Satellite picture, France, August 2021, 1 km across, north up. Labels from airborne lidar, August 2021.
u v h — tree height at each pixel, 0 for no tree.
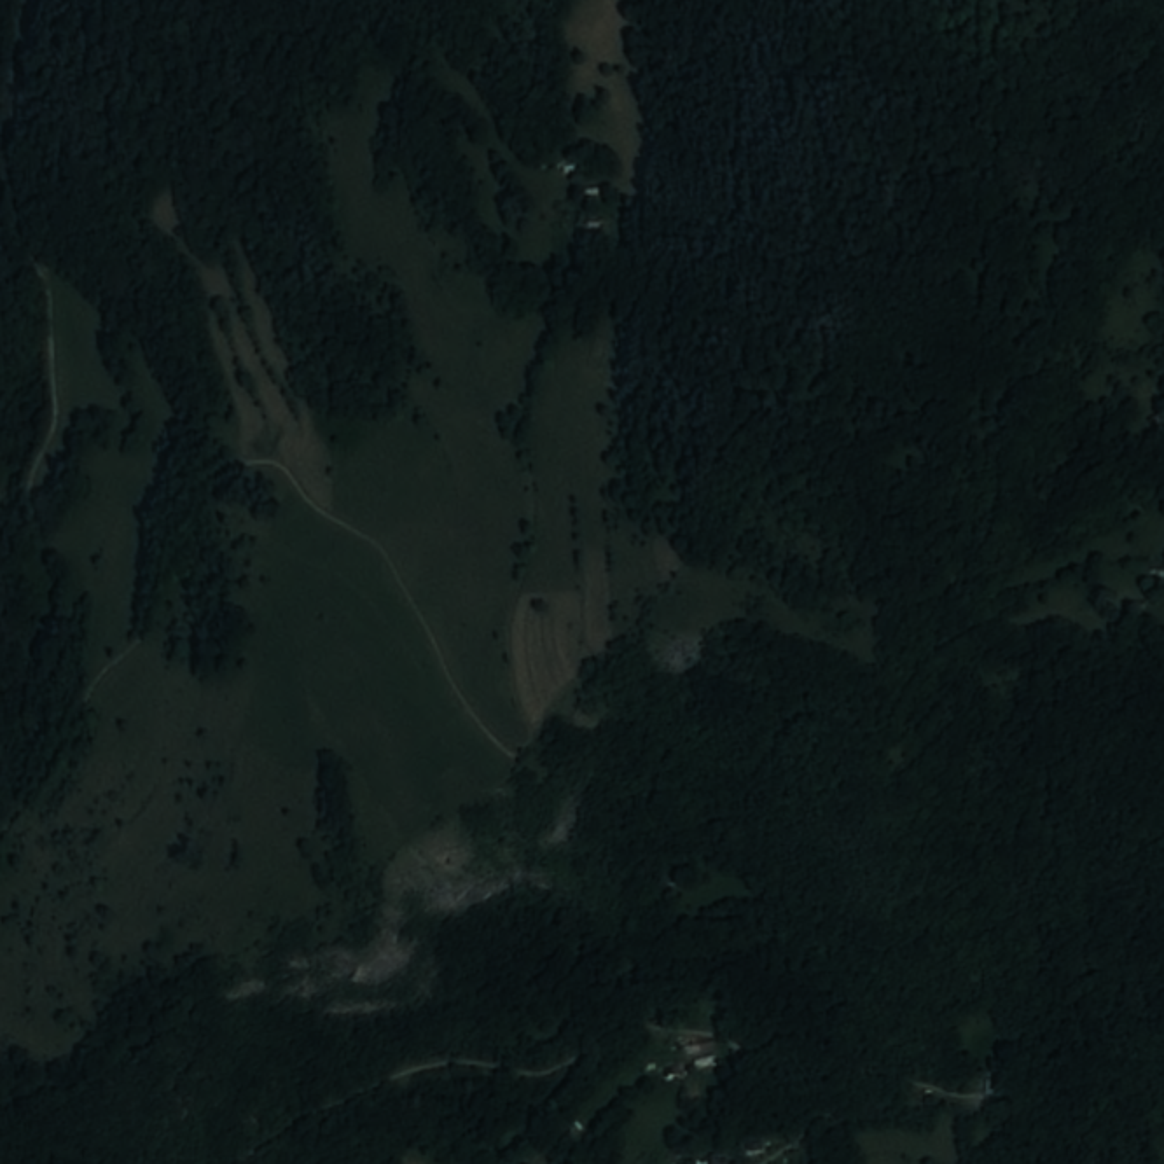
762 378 16
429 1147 21
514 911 16
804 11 22
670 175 25
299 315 15
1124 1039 25
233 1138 19
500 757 0
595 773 10
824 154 12
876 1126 20
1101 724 19
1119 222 28
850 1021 24
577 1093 23
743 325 23
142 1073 14
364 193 0
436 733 0
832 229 21
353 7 20
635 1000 26
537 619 0
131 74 17
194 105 16
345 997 8
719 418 22
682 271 23
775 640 13
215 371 13
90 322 0
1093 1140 28
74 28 26
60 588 11
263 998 16
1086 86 11
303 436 0
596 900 12
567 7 17
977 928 18
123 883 0
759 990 23
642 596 7
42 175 21
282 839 0
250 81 20
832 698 22
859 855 20
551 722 8
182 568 16
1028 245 11
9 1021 0
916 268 16
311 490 0
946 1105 16
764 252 21
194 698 0
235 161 18
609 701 11
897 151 20
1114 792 24
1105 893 21
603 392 0
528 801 11
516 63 13
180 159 13
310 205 15
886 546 19
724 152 27
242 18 24
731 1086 26
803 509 8
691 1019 18
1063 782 19
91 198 20
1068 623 19
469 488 0
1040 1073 31
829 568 11
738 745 24
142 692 0
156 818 0
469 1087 27
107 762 0
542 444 0
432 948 8
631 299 20
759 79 30
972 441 13
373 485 0
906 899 19
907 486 17
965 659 10
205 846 0
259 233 9
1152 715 23
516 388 0
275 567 0
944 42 15
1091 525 15
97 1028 8
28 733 8
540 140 12
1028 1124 26
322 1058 22
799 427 16
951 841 29
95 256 24
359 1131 26
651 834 20
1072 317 22
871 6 18
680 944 19
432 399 0
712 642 14
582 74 0
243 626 21
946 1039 18
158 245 11
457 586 0
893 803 18
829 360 12
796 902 20
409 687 0
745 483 13
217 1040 24
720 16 20
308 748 0
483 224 9
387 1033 24
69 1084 19
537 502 0
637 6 18
